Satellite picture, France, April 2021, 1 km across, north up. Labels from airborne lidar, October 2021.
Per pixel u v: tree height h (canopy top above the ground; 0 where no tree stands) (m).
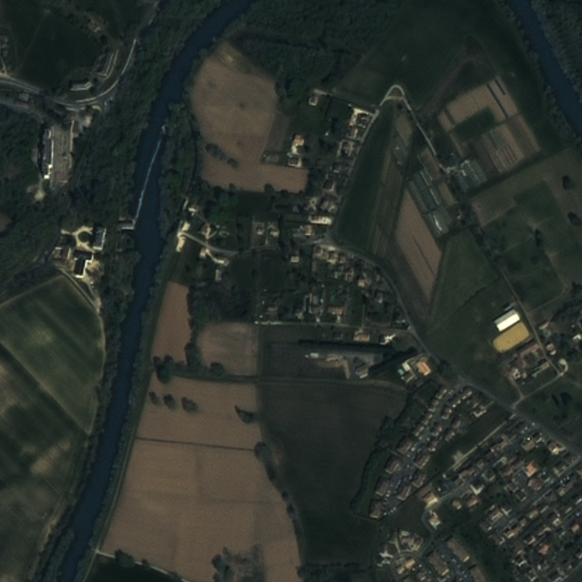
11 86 0
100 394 22
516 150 0
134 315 0
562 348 13
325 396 0
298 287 9
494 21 0
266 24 25
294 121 0
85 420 0
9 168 26
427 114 0
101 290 0
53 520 0
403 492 0
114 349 22
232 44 0
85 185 11
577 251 0
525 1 0
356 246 0
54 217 21
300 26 21
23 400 0
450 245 0
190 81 30
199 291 10
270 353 0
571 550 12
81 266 0
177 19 14
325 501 0
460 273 0
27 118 11
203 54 27
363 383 0
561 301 0
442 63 0
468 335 0
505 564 8
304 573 16
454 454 0
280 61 23
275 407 0
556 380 0
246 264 0
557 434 0
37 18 0
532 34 0
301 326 0
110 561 0
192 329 15
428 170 0
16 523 0
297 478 0
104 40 12
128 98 15
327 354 0
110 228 6
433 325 0
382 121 0
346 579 0
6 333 0
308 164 17
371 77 0
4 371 0
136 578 0
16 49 0
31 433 0
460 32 0
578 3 13
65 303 0
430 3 0
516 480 0
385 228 0
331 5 19
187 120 11
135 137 29
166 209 19
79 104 0
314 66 20
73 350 0
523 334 0
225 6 0
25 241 22
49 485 0
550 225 0
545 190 0
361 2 22
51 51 0
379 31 16
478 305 0
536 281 0
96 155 18
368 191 0
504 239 0
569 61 13
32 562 0
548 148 0
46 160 0
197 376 15
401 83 0
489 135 0
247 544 0
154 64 22
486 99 0
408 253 0
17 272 24
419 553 0
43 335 0
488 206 0
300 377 0
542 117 0
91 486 0
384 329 0
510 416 0
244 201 0
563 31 14
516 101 0
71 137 0
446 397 0
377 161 0
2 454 0
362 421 0
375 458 10
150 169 0
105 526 0
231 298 6
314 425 0
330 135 0
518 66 0
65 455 0
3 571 0
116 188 22
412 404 8
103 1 0
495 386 0
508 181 0
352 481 0
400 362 18
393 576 0
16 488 0
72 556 0
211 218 23
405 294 0
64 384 0
